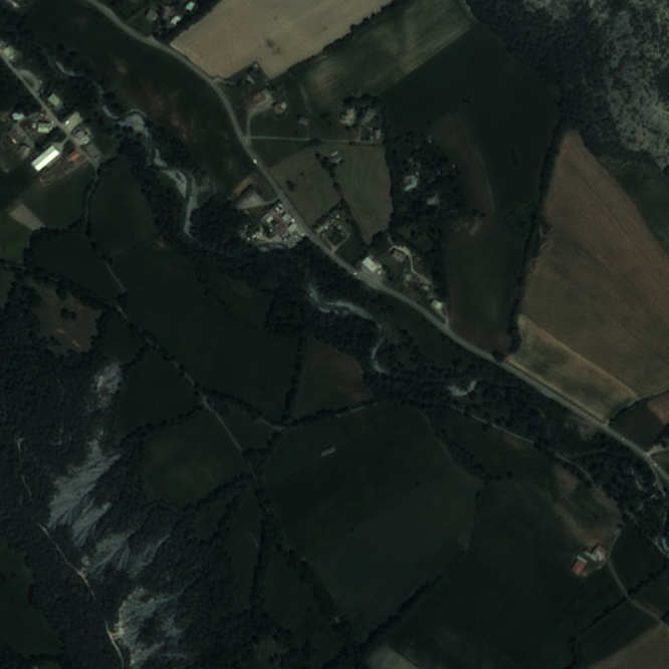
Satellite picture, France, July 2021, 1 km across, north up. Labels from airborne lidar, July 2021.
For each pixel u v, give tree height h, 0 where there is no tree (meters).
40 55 11
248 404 12
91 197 6
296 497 0
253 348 0
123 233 0
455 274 0
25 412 18
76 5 0
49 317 0
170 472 0
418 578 0
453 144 0
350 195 0
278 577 0
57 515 0
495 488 0
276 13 0
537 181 0
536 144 0
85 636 12
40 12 0
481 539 0
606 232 0
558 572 0
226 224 13
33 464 7
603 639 0
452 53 0
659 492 11
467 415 12
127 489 16
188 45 0
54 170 0
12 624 0
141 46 0
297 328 16
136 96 0
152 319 0
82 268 0
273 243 0
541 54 13
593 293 0
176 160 14
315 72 0
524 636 0
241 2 0
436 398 11
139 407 0
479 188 0
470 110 0
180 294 0
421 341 0
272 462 0
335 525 0
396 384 19
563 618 0
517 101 0
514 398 20
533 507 0
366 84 0
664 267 0
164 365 0
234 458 0
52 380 14
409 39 0
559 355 0
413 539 0
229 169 0
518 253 0
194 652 6
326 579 0
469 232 0
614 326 0
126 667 6
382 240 9
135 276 0
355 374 0
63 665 18
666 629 0
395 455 0
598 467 18
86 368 17
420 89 0
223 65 0
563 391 0
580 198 0
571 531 0
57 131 10
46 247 0
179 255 0
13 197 0
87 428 6
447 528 0
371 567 0
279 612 0
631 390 0
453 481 0
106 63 0
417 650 0
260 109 0
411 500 0
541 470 0
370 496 0
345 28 0
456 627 0
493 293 0
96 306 15
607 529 0
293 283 15
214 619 18
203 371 0
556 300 0
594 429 0
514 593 0
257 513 0
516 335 18
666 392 0
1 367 25
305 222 0
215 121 0
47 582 9
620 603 6
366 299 19
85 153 0
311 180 0
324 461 0
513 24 10
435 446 0
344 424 0
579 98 11
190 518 13
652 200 0
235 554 0
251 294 0
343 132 0
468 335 0
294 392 18
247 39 0
